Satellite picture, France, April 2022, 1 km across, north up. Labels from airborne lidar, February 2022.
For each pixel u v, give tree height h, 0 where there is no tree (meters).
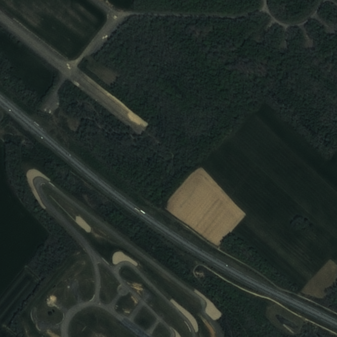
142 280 0
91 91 0
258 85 11
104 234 0
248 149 0
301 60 23
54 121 0
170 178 22
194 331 0
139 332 0
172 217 0
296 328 0
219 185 0
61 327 0
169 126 19
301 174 0
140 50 19
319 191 0
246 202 0
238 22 22
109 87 7
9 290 0
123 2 0
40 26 0
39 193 0
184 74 18
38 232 0
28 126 0
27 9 0
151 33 17
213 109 23
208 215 0
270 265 20
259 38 0
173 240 0
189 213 0
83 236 0
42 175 0
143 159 19
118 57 17
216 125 22
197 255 0
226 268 0
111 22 0
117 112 0
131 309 0
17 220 0
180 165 16
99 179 0
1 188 0
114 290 0
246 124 0
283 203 0
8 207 0
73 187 18
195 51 18
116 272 0
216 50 25
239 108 22
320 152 17
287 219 0
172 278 0
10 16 0
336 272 0
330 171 0
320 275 0
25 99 17
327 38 13
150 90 19
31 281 0
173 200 0
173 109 19
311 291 0
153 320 0
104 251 0
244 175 0
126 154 19
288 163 0
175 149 19
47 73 0
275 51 22
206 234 0
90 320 0
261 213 0
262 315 12
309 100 20
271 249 0
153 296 0
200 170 0
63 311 0
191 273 16
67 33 0
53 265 16
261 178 0
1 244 0
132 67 17
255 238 0
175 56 19
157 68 20
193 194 0
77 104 13
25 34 0
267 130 0
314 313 0
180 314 0
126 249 0
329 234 0
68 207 0
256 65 29
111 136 17
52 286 0
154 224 0
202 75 23
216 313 0
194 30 23
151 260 0
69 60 0
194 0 19
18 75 0
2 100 0
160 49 13
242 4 22
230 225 0
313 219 0
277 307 0
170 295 0
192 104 21
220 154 0
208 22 20
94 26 0
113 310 0
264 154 0
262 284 0
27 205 16
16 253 0
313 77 20
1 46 0
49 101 0
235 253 18
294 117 16
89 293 0
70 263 0
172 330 0
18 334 12
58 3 0
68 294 0
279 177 0
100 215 0
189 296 0
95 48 0
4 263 0
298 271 0
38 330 0
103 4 0
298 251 0
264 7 0
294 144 0
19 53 0
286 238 0
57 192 0
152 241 9
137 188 15
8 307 0
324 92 20
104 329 0
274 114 0
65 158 0
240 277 0
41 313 0
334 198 0
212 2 20
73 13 0
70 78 0
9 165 19
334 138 14
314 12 0
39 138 0
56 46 0
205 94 21
